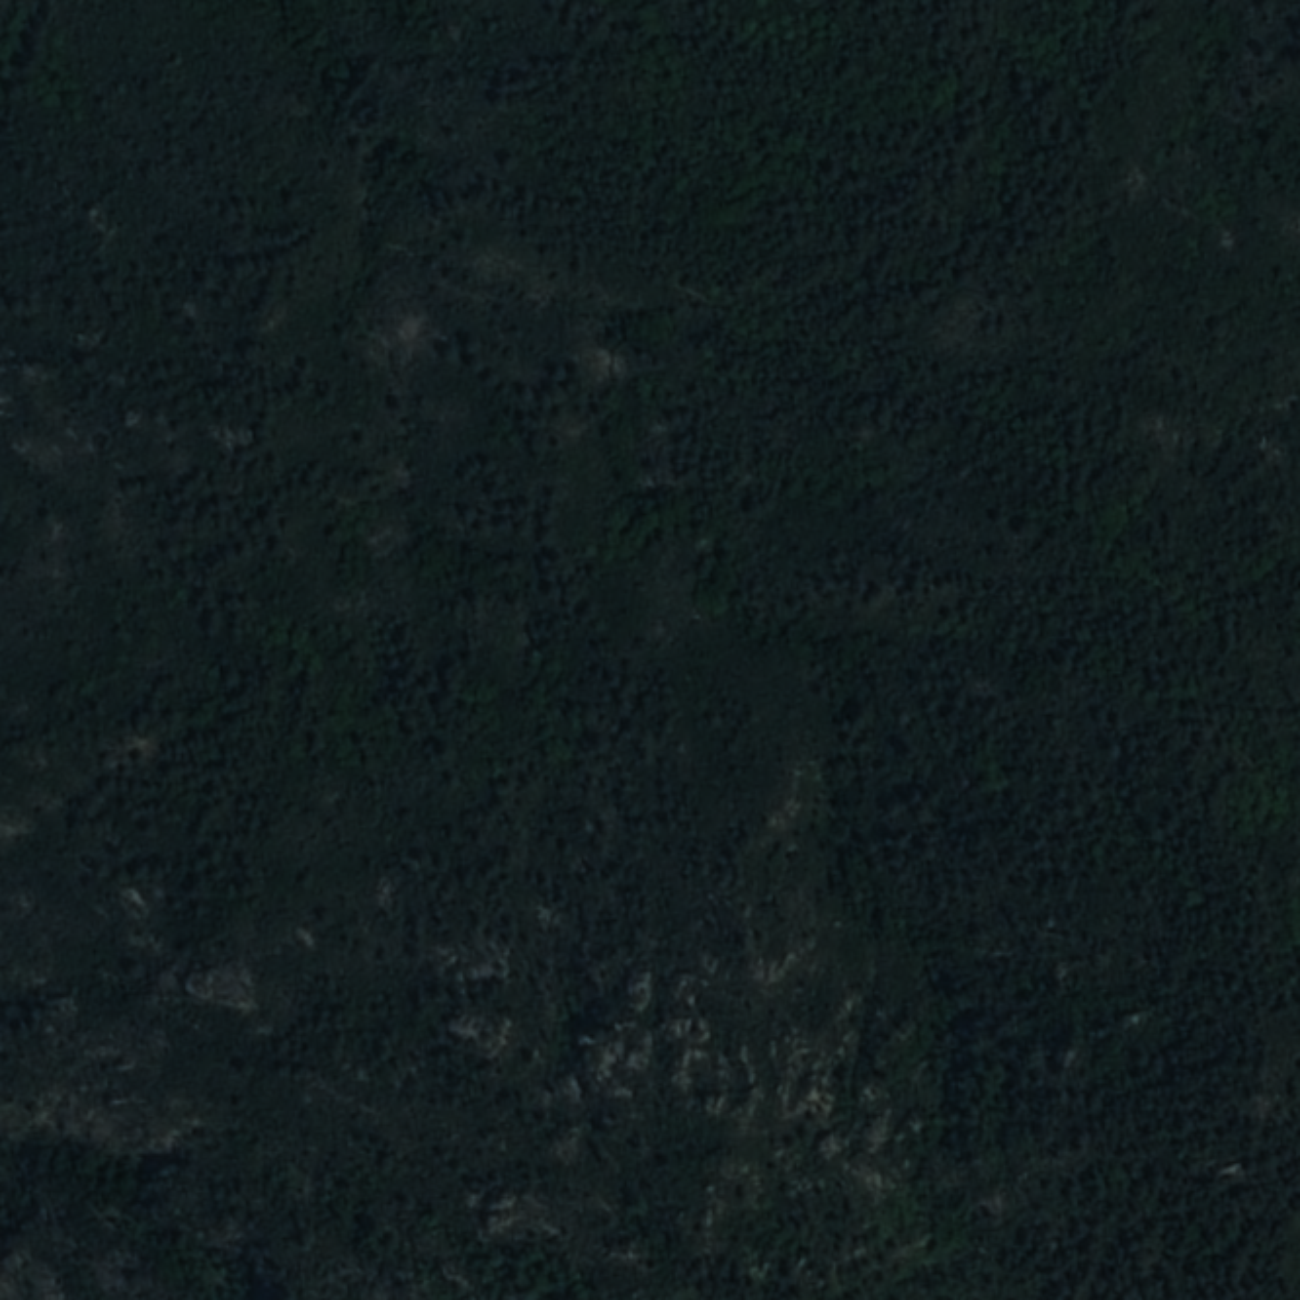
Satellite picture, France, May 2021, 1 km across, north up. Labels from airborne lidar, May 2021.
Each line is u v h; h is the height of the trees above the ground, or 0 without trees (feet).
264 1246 21
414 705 104
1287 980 23
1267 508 68
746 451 25
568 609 61
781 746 19
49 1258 25
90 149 31
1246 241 19
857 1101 31
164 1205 27
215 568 65
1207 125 22
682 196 20
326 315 32
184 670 23
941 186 58
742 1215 19
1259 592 41
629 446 35
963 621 24
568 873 25
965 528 29
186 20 21
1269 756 27
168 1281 29
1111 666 62
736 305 29
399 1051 20
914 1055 31
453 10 25
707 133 41
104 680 25
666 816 23
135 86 29
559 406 51
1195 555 21
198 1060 24
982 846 53
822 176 50
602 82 40
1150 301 24
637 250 58
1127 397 65
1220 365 20
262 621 22
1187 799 55
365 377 23
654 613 21
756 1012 42
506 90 60
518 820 76
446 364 18
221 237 21
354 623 21
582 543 19
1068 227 65
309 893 22
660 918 17
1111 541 24
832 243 54
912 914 18
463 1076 31
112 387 31
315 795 18
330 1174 26
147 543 18
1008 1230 18
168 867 81
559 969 18
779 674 18
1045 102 85
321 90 30
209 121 35
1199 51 28
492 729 43
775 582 28
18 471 24
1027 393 28
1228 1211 67
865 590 60
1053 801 21
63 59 21
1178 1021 46
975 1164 51
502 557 20
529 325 22
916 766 87
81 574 20
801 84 35
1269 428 37
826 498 51
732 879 47
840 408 40
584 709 65
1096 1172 45
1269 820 23
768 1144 21
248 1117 26
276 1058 21
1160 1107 56
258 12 29
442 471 20
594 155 29
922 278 46
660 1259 20
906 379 44
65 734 19
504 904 40
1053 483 24
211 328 19
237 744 28
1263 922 58
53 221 24
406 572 23
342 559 23
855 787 29
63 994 39
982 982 30
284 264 78
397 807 20
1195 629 59
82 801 20
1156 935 22
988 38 69
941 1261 44
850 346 54
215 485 66
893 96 40
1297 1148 60
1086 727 20
